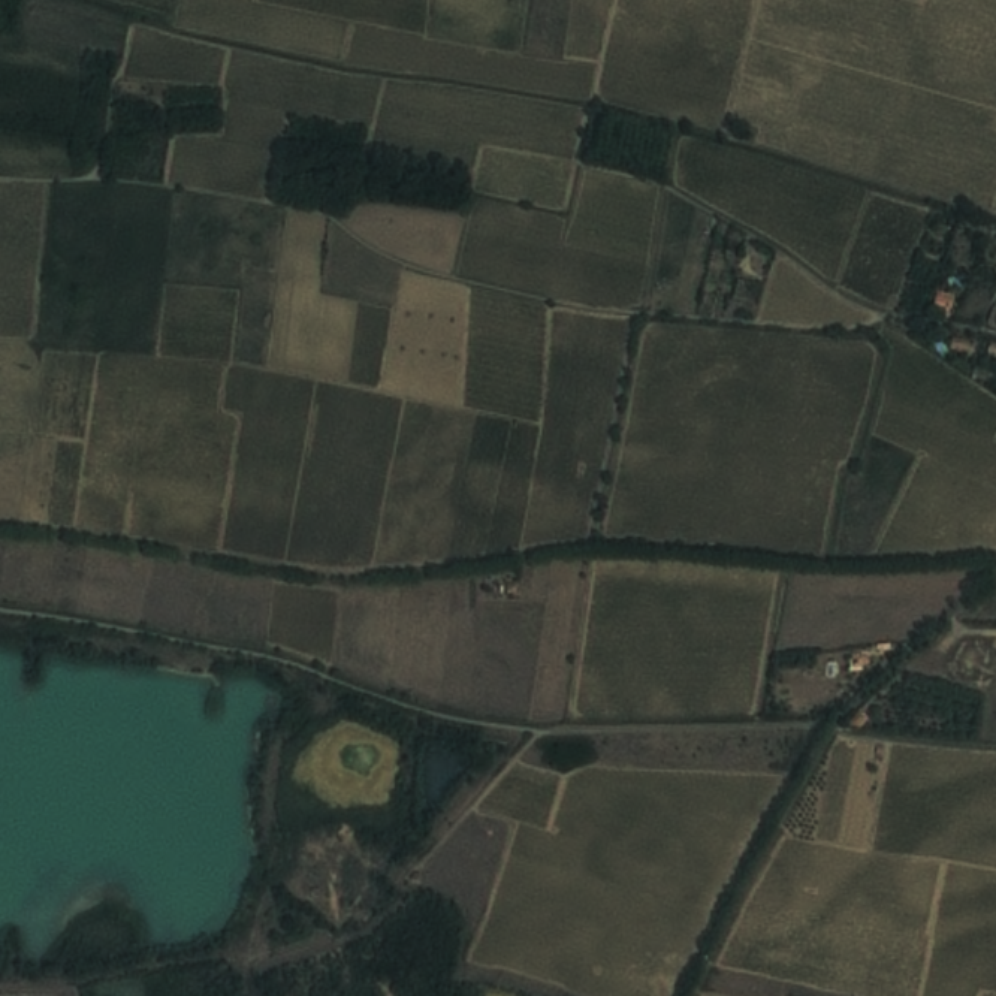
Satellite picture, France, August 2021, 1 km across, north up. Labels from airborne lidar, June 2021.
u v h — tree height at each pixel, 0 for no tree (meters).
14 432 0
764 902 0
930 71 0
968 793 0
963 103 0
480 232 0
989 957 0
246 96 0
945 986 0
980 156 0
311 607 0
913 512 0
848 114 0
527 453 0
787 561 21
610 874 0
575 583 0
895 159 0
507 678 0
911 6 0
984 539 0
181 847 0
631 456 0
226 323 0
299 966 7
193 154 0
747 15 0
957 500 0
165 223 0
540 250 0
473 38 0
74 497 0
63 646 15
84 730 0
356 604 0
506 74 0
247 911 9
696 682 0
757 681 0
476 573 20
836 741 0
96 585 0
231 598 0
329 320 0
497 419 0
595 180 0
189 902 0
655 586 0
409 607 0
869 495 0
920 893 0
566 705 0
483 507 0
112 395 0
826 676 0
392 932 8
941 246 6
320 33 0
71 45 0
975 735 15
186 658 0
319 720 6
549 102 0
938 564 21
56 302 0
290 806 0
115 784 0
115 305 0
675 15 0
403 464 0
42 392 0
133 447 0
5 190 0
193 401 0
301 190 20
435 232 0
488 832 0
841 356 0
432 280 0
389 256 0
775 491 0
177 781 0
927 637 20
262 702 0
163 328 0
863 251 0
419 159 22
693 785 0
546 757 0
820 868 0
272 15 0
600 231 0
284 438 0
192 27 0
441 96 0
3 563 0
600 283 0
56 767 0
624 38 0
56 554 0
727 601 0
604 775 0
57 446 0
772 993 0
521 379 0
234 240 0
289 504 0
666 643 0
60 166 0
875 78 0
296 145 17
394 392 0
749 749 0
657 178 21
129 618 0
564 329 0
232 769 0
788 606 0
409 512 0
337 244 0
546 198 0
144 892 0
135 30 0
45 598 0
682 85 0
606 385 0
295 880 0
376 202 11
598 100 8
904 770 0
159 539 0
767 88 0
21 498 0
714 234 7
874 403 0
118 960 11
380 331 0
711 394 0
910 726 7
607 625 0
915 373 0
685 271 0
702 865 0
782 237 0
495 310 0
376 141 0
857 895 0
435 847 0
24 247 0
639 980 0
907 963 0
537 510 0
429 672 0
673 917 0
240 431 0
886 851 0
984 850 0
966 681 0
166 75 0
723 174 0
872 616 0
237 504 0
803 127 0
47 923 0
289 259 0
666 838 0
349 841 0
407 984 6
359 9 0
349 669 0
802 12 0
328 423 0
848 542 0
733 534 0
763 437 0
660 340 0
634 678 0
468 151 0
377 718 11
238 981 10
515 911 0
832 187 0
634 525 0
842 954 0
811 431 0
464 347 0
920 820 0
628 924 0
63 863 0
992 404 0
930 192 0
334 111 0
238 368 0
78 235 0
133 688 0
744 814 0
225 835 0
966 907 0
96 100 7
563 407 0
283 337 0
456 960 9
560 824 0
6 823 0
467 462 0
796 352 0
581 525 0
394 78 0
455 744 16
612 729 0
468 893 0
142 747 0
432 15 0
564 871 0
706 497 0
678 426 0
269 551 0
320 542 0
